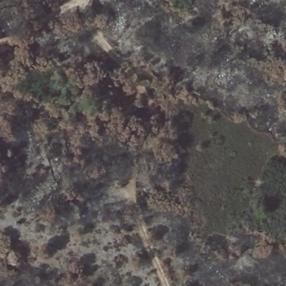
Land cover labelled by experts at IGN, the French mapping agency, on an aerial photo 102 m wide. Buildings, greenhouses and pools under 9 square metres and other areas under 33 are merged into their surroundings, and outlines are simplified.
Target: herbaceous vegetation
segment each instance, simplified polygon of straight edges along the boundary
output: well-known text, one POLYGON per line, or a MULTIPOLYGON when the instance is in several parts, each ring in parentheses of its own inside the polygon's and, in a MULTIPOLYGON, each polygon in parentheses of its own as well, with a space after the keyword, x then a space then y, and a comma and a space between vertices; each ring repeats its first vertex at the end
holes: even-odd
POLYGON ((171 166, 174 169, 170 183, 173 189, 191 190, 191 196, 187 196, 190 200, 189 210, 194 212, 194 218, 201 218, 200 232, 203 235, 236 238, 238 233, 254 235, 255 230, 265 232, 273 238, 279 251, 286 256, 286 184, 283 192, 277 191, 274 197, 264 197, 261 194, 260 178, 263 177, 270 160, 286 166, 286 158, 279 154, 278 142, 273 141, 267 133, 252 130, 247 120, 241 123, 230 122, 229 117, 220 116, 219 113, 212 111, 206 104, 187 105, 188 111, 180 111, 178 115, 173 116, 173 134, 177 135, 175 140, 182 142, 183 147, 178 153, 178 159, 172 160, 171 166))

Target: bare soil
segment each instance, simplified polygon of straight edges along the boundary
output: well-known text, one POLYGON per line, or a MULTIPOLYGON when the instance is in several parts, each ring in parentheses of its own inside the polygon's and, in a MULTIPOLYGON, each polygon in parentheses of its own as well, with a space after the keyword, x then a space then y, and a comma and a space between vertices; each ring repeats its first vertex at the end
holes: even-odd
POLYGON ((141 154, 134 150, 120 154, 120 169, 117 172, 102 174, 97 178, 86 178, 76 166, 67 162, 74 159, 67 130, 63 130, 59 125, 54 130, 49 130, 41 118, 38 118, 34 127, 27 131, 27 172, 23 174, 26 188, 22 188, 18 199, 8 204, 8 207, 0 206, 0 286, 286 286, 286 256, 279 251, 273 238, 265 232, 255 230, 254 235, 238 233, 236 238, 203 235, 200 232, 201 218, 194 218, 194 212, 189 210, 190 200, 187 196, 191 196, 191 190, 173 189, 170 183, 164 181, 162 185, 153 188, 150 179, 142 174, 141 154))
POLYGON ((247 120, 252 130, 267 133, 273 141, 278 142, 279 154, 286 158, 286 85, 275 82, 270 86, 265 83, 264 71, 251 67, 250 59, 265 61, 266 57, 263 54, 267 53, 286 63, 286 0, 98 0, 101 3, 111 3, 118 16, 118 22, 111 32, 104 36, 103 32, 97 32, 94 38, 122 67, 124 78, 131 78, 134 74, 139 76, 145 71, 152 79, 156 77, 162 80, 169 77, 172 96, 179 95, 181 90, 187 90, 196 102, 201 99, 209 101, 214 106, 212 111, 219 113, 220 116, 229 117, 230 122, 241 123, 247 120))

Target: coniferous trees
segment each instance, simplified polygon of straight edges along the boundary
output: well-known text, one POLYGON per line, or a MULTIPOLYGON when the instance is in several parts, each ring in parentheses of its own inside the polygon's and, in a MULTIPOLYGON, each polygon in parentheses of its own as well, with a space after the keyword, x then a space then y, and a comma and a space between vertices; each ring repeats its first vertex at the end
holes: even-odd
POLYGON ((286 184, 286 166, 270 160, 263 177, 260 178, 261 194, 264 197, 274 197, 277 191, 283 192, 286 184))
POLYGON ((97 32, 103 32, 104 36, 111 32, 118 22, 118 16, 111 3, 101 3, 98 0, 0 0, 0 206, 8 207, 8 204, 18 199, 22 188, 26 188, 23 174, 27 172, 27 131, 34 127, 38 118, 41 118, 49 130, 54 130, 59 125, 63 130, 67 130, 74 159, 67 162, 76 166, 86 178, 97 178, 102 174, 117 172, 120 169, 120 154, 134 150, 141 154, 142 174, 150 179, 153 188, 162 185, 164 181, 170 183, 174 169, 171 166, 172 160, 178 159, 178 153, 183 147, 182 142, 175 140, 177 135, 173 134, 173 116, 178 115, 180 111, 188 111, 187 105, 206 104, 212 111, 214 106, 209 101, 201 99, 196 102, 187 90, 181 90, 179 95, 172 96, 169 77, 162 80, 156 77, 152 79, 145 71, 139 76, 134 74, 131 78, 124 78, 122 67, 94 38, 97 32), (46 103, 29 94, 21 94, 17 84, 26 79, 29 70, 49 70, 53 73, 48 87, 60 90, 60 96, 50 97, 46 103))

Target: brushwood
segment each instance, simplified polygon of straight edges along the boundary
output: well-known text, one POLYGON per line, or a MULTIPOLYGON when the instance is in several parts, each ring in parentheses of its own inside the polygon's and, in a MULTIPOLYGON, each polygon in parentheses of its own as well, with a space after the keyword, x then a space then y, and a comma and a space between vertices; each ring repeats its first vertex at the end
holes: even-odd
POLYGON ((275 82, 286 85, 286 63, 267 53, 263 54, 266 57, 265 61, 250 59, 251 67, 264 71, 265 83, 270 86, 275 82))
POLYGON ((17 84, 21 94, 29 94, 46 103, 50 97, 60 96, 60 90, 48 87, 53 73, 49 70, 29 70, 26 79, 17 84))

